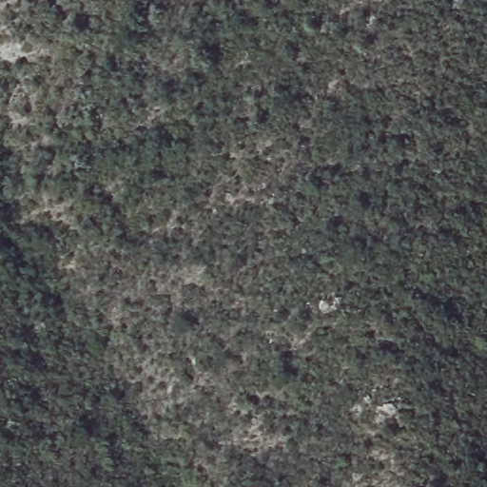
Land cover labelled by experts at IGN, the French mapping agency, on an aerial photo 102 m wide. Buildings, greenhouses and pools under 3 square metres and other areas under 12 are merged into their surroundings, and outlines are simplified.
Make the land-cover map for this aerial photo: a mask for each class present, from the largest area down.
<instances>
[{"label":"brushwood","instance_id":"1","mask_svg":"<svg viewBox=\"0 0 487 487\"><path fill-rule=\"evenodd\" d=\"M6 25L15 32L23 51L36 48V44L40 42L46 44L48 55H42L34 61H29L25 57H19L17 61L0 59V487H342L344 481L352 479V474H360L363 481L379 477L380 470H384V462L373 458L371 449L396 453V462L403 470V476L394 474L390 481H396L398 487H487V0H29V10L6 13ZM19 70L29 72L32 76L27 80V86H36L42 91L36 103L23 105V116H27L25 126H13L8 116L11 89L19 84ZM42 192L55 194L59 204L70 200L68 215L76 217V223L80 224V228L70 230L67 224L61 221H51V213H42L34 221L19 224L21 213L32 211L34 207H38V202H42ZM173 264L181 268L200 264L205 268L202 282L198 285L186 283L183 287L181 310L173 306L169 293H158L156 287L158 283L166 282ZM196 361L202 365V369L211 371L213 375H217L228 361H234L236 371L230 379H226V384L232 388L242 386L243 394L238 401H230L226 405L223 399L217 398L204 386L200 398L167 407L166 415H141L137 411V398L143 392V382L129 384L137 373L145 371L150 377L154 373V365L173 363L175 373L192 382V363ZM253 419L263 420V434H285L289 451H283L282 445H276L266 449L263 457L257 458L249 455V449H240L238 445H219V441L228 438L236 426H240L242 432H247Z\"/></svg>","mask_w":487,"mask_h":487},{"label":"bare soil","instance_id":"2","mask_svg":"<svg viewBox=\"0 0 487 487\"><path fill-rule=\"evenodd\" d=\"M29 10V0H0V59L17 61L19 57H25L29 61H34L42 55H48L46 44L40 42L36 44V48L23 51L15 32L6 25V13ZM32 76L29 72L19 70V84L11 89L8 116L13 126H25L27 116H23V105L36 103L42 91L36 86H27V80ZM70 200L59 204L55 194L42 192V202H38V207H34L32 211L21 213L19 224L34 221L42 213H51V221H61L67 224L70 230L80 228V224L76 223V217L68 215ZM205 268L200 264L181 268L173 264L166 282L158 283L156 287L158 293H169L173 306L181 310L183 287L186 283L198 285L202 282ZM236 371L234 361H228L217 375H213L211 371L202 369V365L196 361L192 363V382L175 373L173 363L154 365V373L150 377L145 371L137 373L129 384L143 382V392L137 398V411L141 415H166L167 407L200 398L204 386L217 398L223 399L226 405L230 401H238L243 394L242 386L232 388L226 384V379H230ZM263 420L253 419L247 432H242L240 426H236L228 438L219 441V445H238L240 449H249V455L257 458L263 457L266 449L276 445H282L283 451H289L285 434H263ZM373 458L384 462V470H380L379 477L363 481L360 474H352V479L344 481L342 487H398L396 481H390L394 474L403 476V470L396 462V453L371 449Z\"/></svg>","mask_w":487,"mask_h":487}]
</instances>
